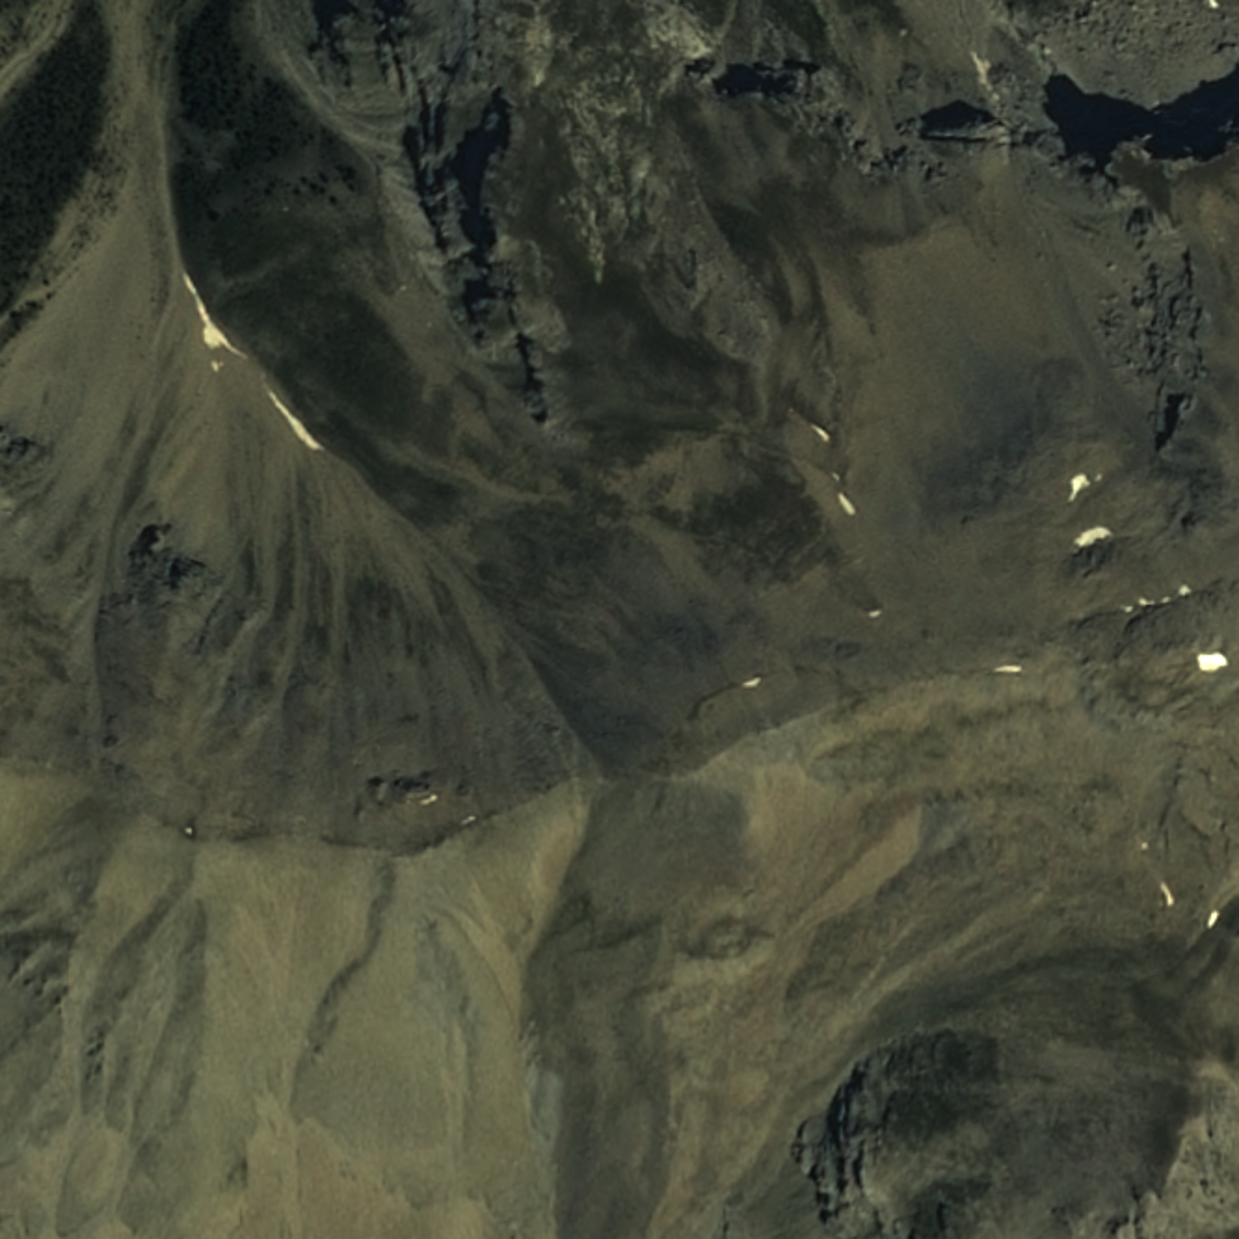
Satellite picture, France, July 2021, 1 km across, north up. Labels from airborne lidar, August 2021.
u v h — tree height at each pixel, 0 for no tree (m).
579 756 0
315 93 0
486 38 0
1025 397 0
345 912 0
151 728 0
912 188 0
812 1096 0
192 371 0
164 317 0
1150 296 0
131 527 0
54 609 0
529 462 0
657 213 0
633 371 0
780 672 0
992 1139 0
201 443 0
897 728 0
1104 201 0
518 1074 0
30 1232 0
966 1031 0
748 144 0
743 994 0
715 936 0
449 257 0
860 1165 0
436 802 0
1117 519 0
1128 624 0
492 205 0
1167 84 0
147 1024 0
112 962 0
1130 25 0
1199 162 0
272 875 0
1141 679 0
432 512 0
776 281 0
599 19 0
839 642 0
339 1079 0
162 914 0
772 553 0
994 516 0
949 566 0
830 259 0
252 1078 0
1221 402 0
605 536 0
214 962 0
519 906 0
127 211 0
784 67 0
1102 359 0
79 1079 0
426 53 0
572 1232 0
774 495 0
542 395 0
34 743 0
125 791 0
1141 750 0
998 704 0
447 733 0
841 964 0
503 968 0
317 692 0
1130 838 0
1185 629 0
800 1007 0
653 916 0
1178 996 0
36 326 0
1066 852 0
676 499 0
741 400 0
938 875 0
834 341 0
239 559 0
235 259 0
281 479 0
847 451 0
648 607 0
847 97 0
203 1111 0
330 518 0
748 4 0
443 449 0
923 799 0
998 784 0
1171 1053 0
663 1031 0
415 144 0
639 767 0
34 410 0
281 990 0
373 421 0
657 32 0
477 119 0
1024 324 0
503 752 0
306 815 0
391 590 0
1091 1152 0
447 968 0
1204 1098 0
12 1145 0
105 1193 0
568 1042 0
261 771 0
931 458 0
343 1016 0
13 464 0
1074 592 0
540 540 0
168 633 0
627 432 0
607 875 0
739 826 0
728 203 0
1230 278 0
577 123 0
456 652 0
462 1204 0
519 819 0
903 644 0
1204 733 0
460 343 0
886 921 0
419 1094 0
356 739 0
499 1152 0
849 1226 0
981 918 0
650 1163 0
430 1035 0
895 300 0
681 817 0
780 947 0
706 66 0
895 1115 0
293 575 0
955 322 0
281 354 0
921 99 0
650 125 0
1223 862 0
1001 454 0
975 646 0
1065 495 0
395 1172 0
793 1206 0
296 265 0
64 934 0
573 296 0
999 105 0
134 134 0
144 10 0
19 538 0
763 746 0
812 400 0
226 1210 0
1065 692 0
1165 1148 0
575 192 0
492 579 0
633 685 0
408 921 0
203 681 0
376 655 0
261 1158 0
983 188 0
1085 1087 0
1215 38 0
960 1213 0
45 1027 0
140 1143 0
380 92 0
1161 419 0
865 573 0
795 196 0
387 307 0
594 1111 0
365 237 0
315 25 0
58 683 0
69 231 0
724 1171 0
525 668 0
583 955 0
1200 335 0
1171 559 0
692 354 0
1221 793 0
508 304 0
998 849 0
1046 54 0
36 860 0
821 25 0
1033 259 0
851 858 0
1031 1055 0
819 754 0
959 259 0
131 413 0
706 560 0
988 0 0
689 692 0
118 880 0
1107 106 0
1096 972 0
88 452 0
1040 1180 0
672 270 0
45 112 7
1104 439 0
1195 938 0
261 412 0
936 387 0
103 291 0
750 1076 0
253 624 0
